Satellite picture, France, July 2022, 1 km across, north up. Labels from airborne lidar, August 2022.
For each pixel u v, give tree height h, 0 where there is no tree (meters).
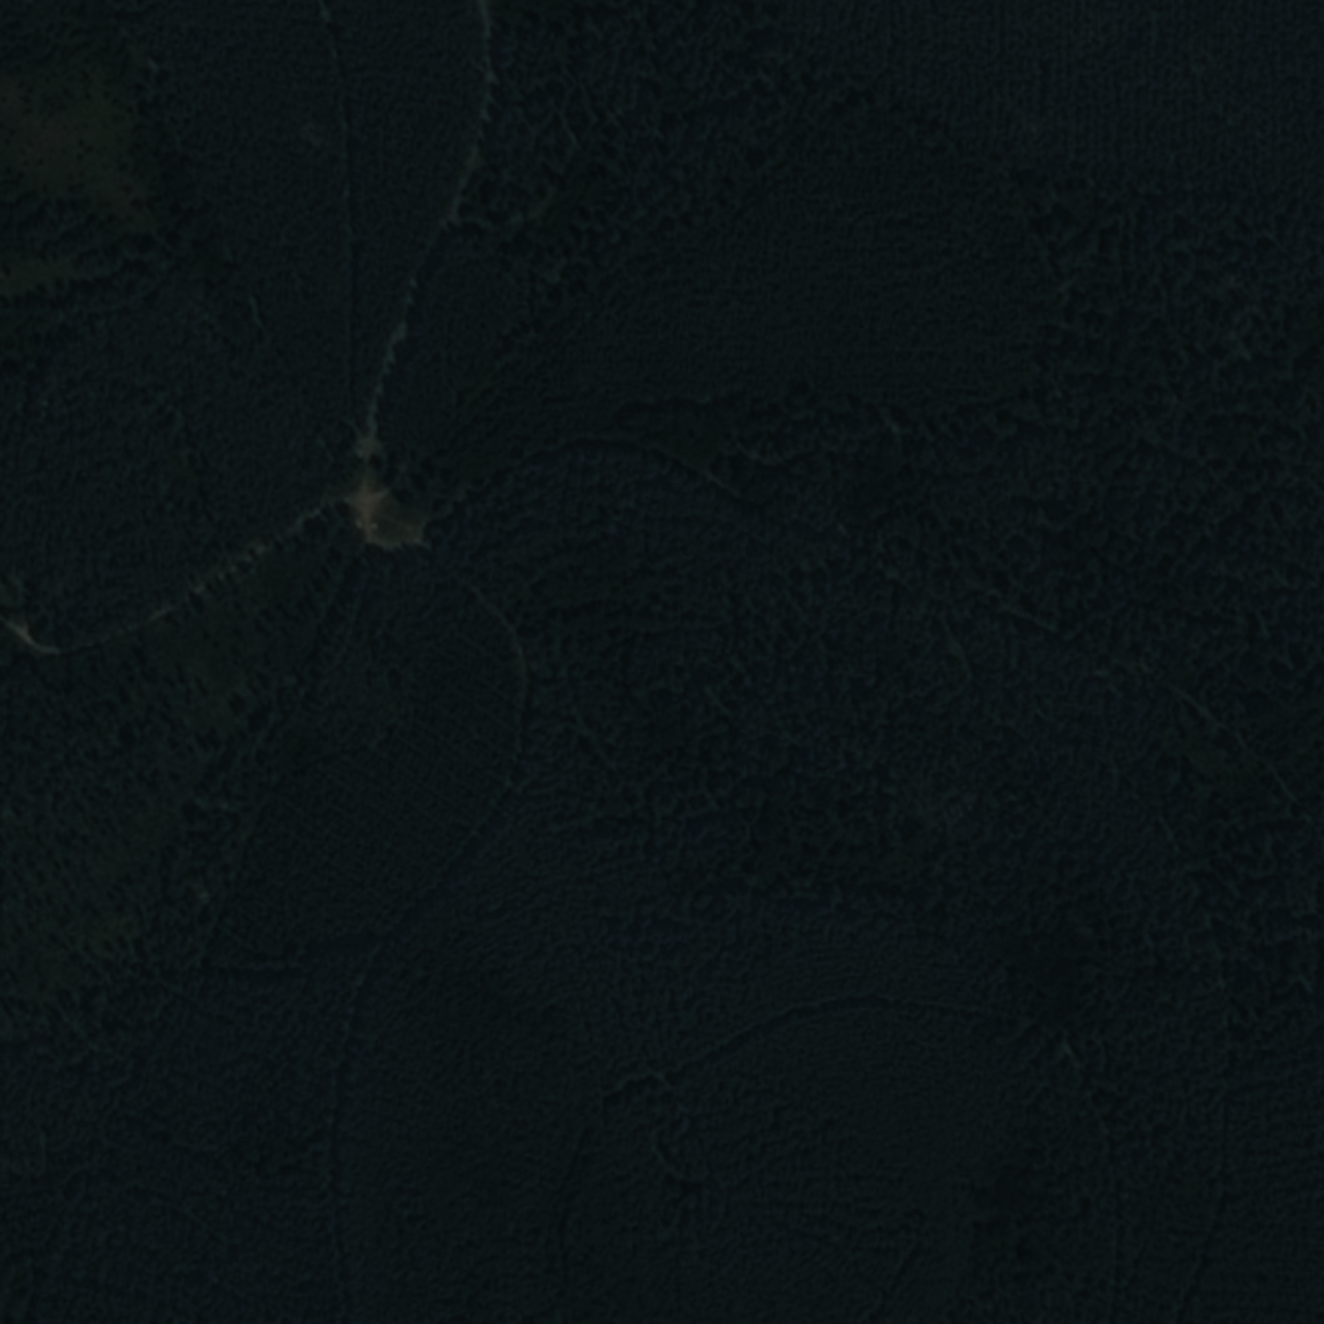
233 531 24
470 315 23
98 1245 18
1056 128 24
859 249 11
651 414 20
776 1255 22
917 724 26
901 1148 18
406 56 23
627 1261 16
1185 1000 27
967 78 20
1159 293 29
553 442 15
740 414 25
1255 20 28
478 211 7
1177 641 30
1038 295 9
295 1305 23
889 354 11
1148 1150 27
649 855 16
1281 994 27
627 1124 17
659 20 28
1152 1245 19
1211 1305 24
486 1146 15
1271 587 14
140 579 25
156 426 22
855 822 24
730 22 26
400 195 25
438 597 23
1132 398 9
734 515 24
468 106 23
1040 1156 23
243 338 26
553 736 16
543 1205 14
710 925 21
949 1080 22
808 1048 18
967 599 24
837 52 21
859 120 7
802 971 22
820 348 11
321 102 24
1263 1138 25
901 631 28
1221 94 24
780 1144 18
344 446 22
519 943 19
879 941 22
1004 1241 16
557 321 6
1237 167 25
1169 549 19
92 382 24
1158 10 18
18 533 25
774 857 14
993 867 29
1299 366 26
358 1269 22
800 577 30
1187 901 24
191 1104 25
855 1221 16
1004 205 10
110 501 27
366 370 24
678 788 20
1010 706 26
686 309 10
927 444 23
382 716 22
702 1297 19
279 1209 25
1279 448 27
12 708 20
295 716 14
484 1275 15
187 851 17
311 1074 24
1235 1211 25
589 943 20
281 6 24
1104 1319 13
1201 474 24
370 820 9
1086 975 26
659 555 22
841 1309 17
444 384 24
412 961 19
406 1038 23
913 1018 21
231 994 23
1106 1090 23
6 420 14
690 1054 22
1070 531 23
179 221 18
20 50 8
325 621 8
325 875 11
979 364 8
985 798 23
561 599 11
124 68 9
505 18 8
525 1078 15
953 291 9
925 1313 21
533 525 23
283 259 27
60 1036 26
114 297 24
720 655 29
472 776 9
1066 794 28
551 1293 9
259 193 24
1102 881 27
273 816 9
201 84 24
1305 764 12
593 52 26
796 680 29
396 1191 24
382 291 24
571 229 9
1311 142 27
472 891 22
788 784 28
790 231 9
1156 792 22
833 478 21
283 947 6
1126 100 24
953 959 23
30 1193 20
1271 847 8
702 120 28
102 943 0
